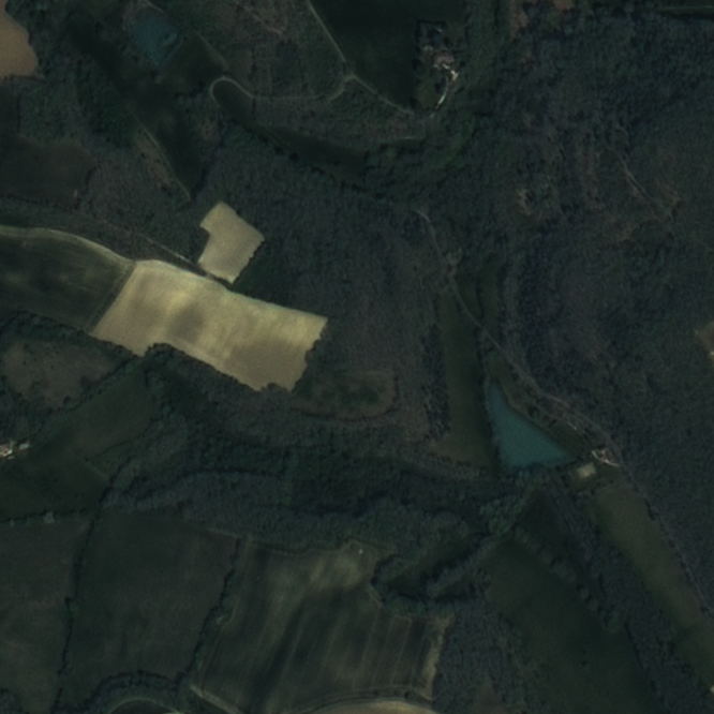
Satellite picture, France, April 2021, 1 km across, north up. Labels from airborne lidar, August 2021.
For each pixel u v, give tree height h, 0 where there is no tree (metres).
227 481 30
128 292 0
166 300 0
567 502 22
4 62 0
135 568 0
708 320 17
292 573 0
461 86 15
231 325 0
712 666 0
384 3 0
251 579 0
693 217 16
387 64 0
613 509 0
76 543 0
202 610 0
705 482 22
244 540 15
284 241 18
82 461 0
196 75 0
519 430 0
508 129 11
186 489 19
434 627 0
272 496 25
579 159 18
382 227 18
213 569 0
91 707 12
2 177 0
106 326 0
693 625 0
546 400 11
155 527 0
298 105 12
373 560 0
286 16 13
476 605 20
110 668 0
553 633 0
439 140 14
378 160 18
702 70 16
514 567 0
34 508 0
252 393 10
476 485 12
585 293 17
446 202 19
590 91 18
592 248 20
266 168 22
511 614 0
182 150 0
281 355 0
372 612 0
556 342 12
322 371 7
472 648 22
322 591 0
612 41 24
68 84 24
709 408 20
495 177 18
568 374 9
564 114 15
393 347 17
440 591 21
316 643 0
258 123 12
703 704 25
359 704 0
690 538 19
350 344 19
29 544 0
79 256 0
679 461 16
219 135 9
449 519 28
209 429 9
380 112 8
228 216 0
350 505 7
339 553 0
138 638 0
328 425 15
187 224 16
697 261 21
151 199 13
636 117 12
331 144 23
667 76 22
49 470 0
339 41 0
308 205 23
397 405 13
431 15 0
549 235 20
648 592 22
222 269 0
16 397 6
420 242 20
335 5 0
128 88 0
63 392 0
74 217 15
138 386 0
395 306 16
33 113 18
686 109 20
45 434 8
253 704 0
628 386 12
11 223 0
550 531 0
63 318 0
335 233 21
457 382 0
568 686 0
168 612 0
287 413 17
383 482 7
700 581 17
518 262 25
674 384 20
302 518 26
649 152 11
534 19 14
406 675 0
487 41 22
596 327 17
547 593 0
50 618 0
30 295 0
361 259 20
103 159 13
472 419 0
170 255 11
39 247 0
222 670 0
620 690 0
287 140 0
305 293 19
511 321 18
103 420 0
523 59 17
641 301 22
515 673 23
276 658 0
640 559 0
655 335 15
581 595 12
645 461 19
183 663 0
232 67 0
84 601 0
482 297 12
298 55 13
